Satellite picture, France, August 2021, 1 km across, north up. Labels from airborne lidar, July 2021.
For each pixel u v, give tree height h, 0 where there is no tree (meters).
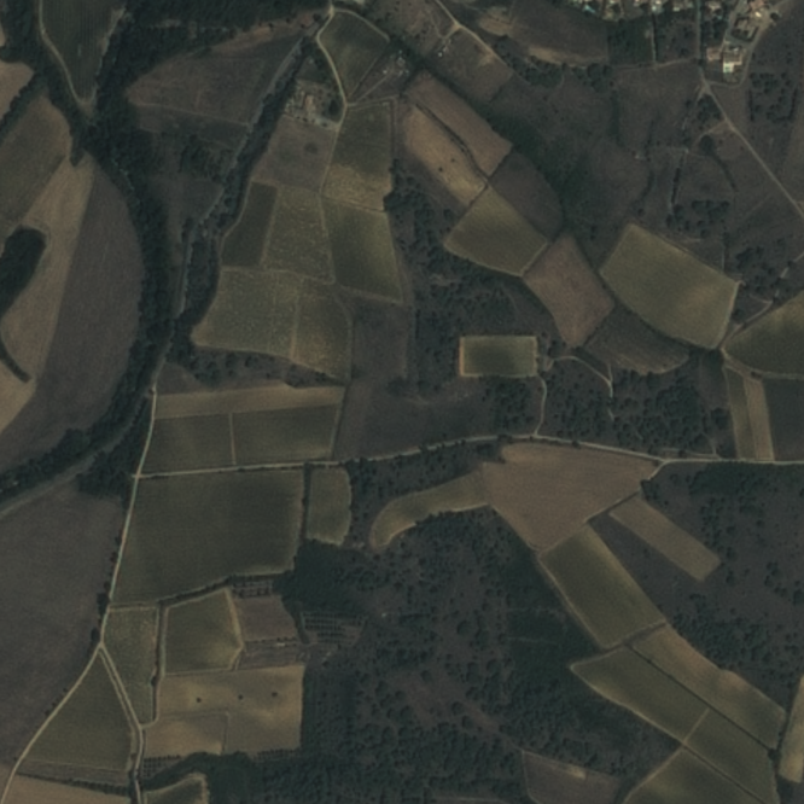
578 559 0
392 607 0
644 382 7
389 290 0
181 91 0
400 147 0
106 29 0
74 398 0
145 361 20
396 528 0
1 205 0
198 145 9
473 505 0
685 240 0
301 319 0
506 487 0
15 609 0
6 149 0
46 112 0
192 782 0
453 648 0
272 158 0
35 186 0
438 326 12
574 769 0
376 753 9
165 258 10
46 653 0
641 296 0
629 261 0
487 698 14
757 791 0
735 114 0
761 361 0
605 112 0
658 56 6
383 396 0
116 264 0
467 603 0
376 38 0
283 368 0
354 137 0
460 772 13
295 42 0
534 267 0
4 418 0
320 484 0
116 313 0
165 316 19
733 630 11
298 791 13
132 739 0
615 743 0
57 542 0
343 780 14
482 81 0
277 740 0
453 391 0
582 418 8
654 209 0
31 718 0
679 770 0
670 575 0
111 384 0
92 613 0
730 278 0
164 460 0
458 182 0
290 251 0
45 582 0
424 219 10
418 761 12
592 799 0
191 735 0
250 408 0
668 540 0
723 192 0
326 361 0
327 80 8
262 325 0
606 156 0
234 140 0
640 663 0
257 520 0
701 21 6
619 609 0
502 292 6
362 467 8
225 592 0
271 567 0
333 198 0
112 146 12
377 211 0
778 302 8
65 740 0
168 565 0
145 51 18
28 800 0
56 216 0
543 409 0
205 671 0
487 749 11
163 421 0
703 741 0
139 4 24
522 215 0
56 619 0
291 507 0
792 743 0
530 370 0
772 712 0
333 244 0
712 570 0
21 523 0
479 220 0
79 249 0
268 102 8
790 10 0
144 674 0
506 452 0
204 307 7
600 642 0
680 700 0
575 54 0
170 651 0
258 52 0
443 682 0
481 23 0
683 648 0
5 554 0
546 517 0
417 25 0
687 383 10
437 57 0
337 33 0
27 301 0
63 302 0
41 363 0
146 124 0
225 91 0
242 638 0
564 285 0
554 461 0
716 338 0
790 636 7
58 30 0
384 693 8
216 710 0
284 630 0
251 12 7
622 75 0
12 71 0
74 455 14
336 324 0
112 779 0
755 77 6
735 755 0
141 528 0
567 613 0
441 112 0
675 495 0
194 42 7
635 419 6
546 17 0
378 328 0
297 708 0
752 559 0
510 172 0
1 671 0
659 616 0
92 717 0
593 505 0
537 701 16
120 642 0
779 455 0
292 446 0
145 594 0
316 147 0
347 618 8
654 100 0
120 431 24
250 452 0
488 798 0
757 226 0
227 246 0
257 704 0
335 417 0
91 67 0
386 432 0
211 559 0
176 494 0
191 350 9
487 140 0
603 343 0
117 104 24
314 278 0
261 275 0
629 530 0
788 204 0
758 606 0
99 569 0
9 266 16
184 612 0
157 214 15
